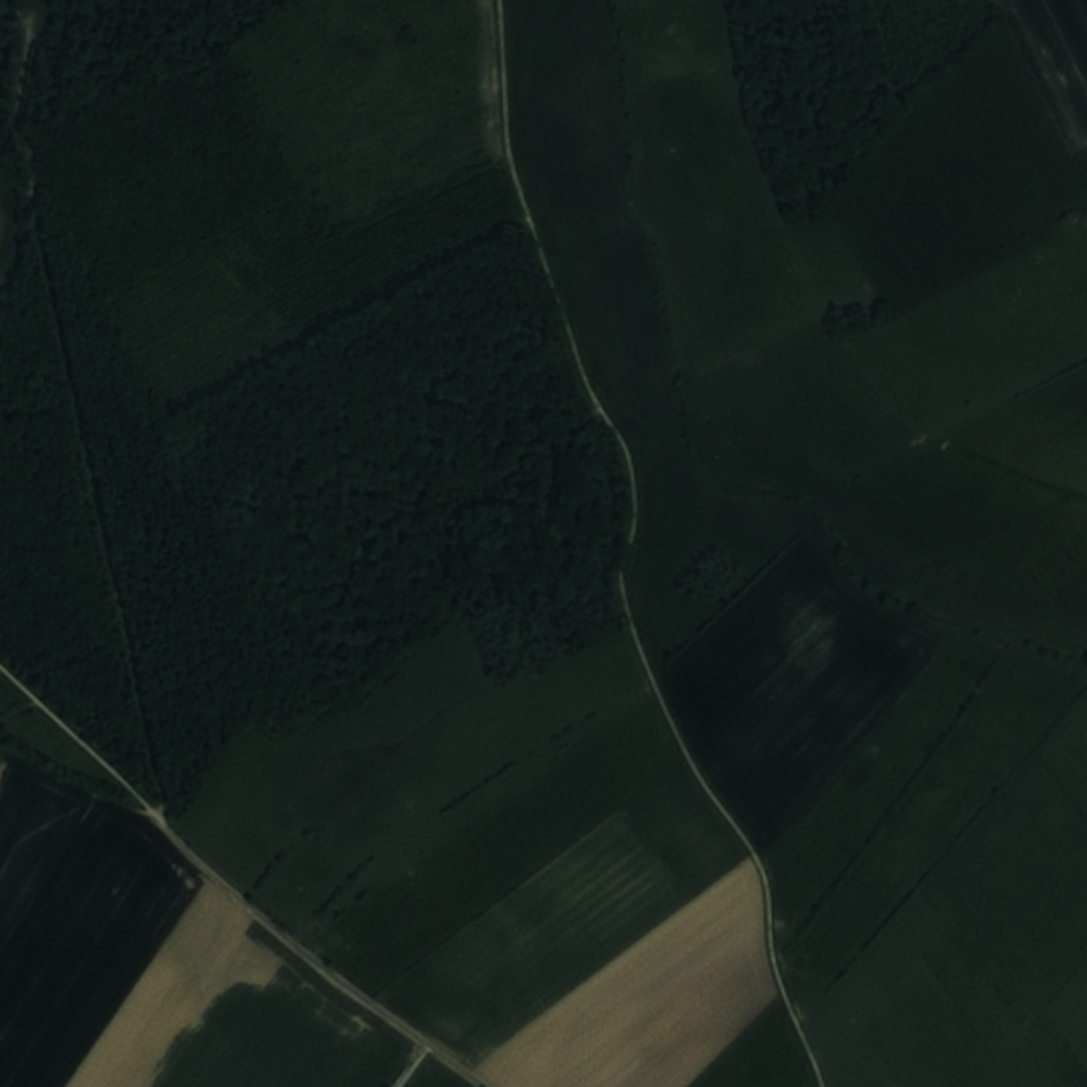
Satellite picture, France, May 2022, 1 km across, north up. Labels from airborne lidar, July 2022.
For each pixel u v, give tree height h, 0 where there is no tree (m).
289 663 22
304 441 24
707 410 0
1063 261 0
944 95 0
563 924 0
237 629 20
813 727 0
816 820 0
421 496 28
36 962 0
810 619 0
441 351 25
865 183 0
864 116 9
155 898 0
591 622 22
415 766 0
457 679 0
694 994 0
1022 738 0
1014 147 0
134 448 21
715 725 0
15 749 16
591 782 0
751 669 0
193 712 19
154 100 12
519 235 22
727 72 0
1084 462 0
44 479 26
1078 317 0
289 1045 0
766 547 0
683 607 0
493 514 25
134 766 23
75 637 22
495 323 26
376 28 0
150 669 17
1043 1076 0
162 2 22
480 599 10
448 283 22
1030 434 0
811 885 0
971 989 0
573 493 29
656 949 0
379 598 29
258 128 11
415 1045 0
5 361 19
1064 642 0
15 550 22
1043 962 0
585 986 0
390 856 0
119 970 0
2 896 0
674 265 0
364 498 27
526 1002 0
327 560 29
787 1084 0
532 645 23
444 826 0
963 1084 0
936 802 0
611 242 0
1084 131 0
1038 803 0
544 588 15
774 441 0
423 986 0
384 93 0
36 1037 0
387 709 0
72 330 21
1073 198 0
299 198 7
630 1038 0
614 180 0
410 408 23
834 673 0
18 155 14
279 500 23
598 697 0
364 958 0
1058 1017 0
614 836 0
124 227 11
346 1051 0
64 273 19
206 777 11
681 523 0
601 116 0
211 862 0
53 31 6
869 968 0
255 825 0
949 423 0
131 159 11
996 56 0
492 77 0
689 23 0
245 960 0
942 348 0
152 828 0
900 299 0
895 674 0
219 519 20
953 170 0
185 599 21
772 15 19
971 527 0
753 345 0
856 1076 0
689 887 0
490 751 0
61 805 0
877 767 0
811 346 0
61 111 15
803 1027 0
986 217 0
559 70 0
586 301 0
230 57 7
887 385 0
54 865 0
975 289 0
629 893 0
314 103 0
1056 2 0
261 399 25
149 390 12
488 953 0
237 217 9
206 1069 0
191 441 14
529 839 0
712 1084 0
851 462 0
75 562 21
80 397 18
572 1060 0
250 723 17
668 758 0
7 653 20
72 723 24
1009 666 0
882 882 0
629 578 0
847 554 10
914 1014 0
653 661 0
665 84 0
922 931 0
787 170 26
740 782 0
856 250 0
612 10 9
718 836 0
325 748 0
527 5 0
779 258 0
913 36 11
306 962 0
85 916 0
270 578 25
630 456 0
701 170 0
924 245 0
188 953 0
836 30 28
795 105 27
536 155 0
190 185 9
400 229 6
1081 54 0
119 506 20
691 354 0
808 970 0
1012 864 0
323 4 0
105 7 27
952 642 0
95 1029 0
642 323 0
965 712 10
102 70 21
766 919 0
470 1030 0
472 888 0
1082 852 0
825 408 0
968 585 0
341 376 25
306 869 0
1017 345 0
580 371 0
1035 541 0
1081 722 0
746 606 0
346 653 29
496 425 30
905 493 0
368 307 22
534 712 0
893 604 9
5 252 0
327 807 0
